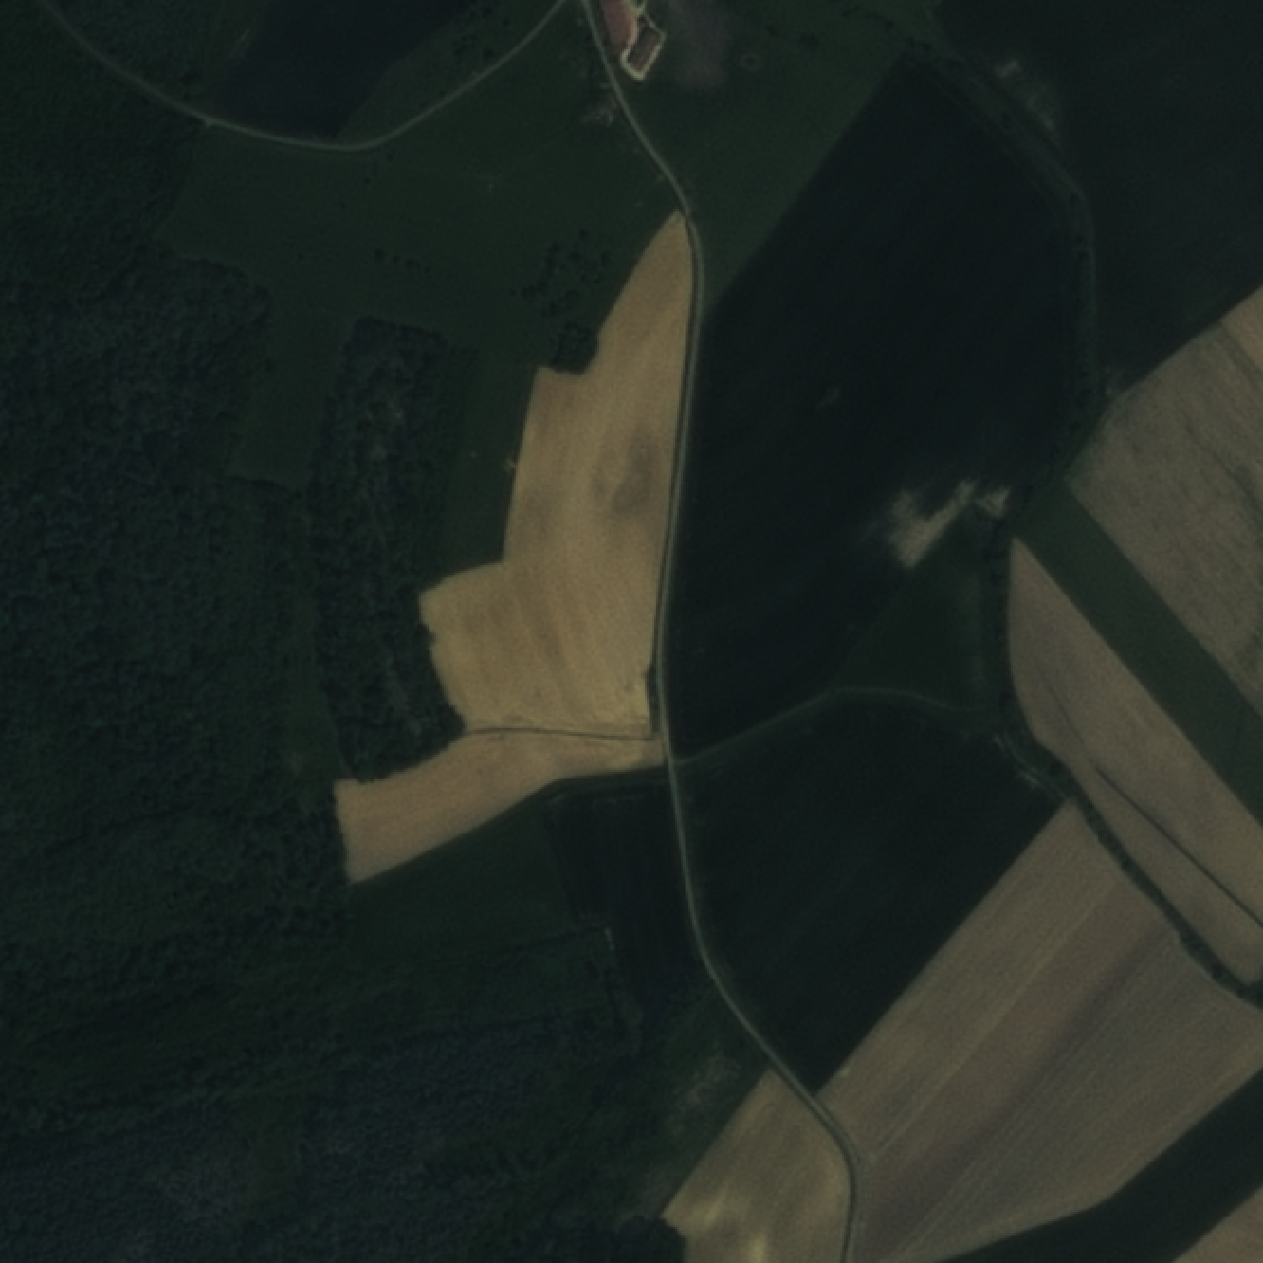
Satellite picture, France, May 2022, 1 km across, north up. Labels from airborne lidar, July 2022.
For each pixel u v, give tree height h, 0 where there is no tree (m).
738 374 0
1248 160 0
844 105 0
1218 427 0
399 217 0
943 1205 0
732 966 0
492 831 0
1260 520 0
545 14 0
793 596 0
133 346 21
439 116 0
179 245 0
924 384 0
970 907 0
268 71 0
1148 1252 0
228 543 25
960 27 0
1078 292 12
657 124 0
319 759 0
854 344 0
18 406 22
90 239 15
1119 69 0
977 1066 0
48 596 25
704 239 0
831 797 0
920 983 0
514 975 9
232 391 28
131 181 16
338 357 0
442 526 8
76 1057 12
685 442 0
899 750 0
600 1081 6
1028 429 0
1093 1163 0
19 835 22
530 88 0
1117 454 0
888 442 0
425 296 0
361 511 24
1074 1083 0
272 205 0
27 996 20
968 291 0
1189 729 0
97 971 19
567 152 0
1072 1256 0
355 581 27
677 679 0
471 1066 28
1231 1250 0
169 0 16
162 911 20
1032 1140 0
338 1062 15
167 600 25
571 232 0
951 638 0
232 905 8
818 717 0
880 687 0
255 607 22
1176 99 0
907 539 0
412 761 19
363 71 0
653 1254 29
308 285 0
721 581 0
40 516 25
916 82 0
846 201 0
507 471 0
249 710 22
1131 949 0
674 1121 0
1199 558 0
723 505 0
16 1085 8
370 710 17
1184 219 0
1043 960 0
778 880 0
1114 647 0
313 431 0
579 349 14
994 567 16
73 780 11
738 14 0
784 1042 0
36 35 15
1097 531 0
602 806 0
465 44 7
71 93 13
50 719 13
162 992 8
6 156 15
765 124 0
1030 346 0
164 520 20
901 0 0
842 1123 0
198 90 13
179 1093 16
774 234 0
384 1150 19
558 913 0
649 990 0
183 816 23
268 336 21
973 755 0
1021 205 0
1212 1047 0
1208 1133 0
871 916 0
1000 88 0
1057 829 0
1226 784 0
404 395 10
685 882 0
